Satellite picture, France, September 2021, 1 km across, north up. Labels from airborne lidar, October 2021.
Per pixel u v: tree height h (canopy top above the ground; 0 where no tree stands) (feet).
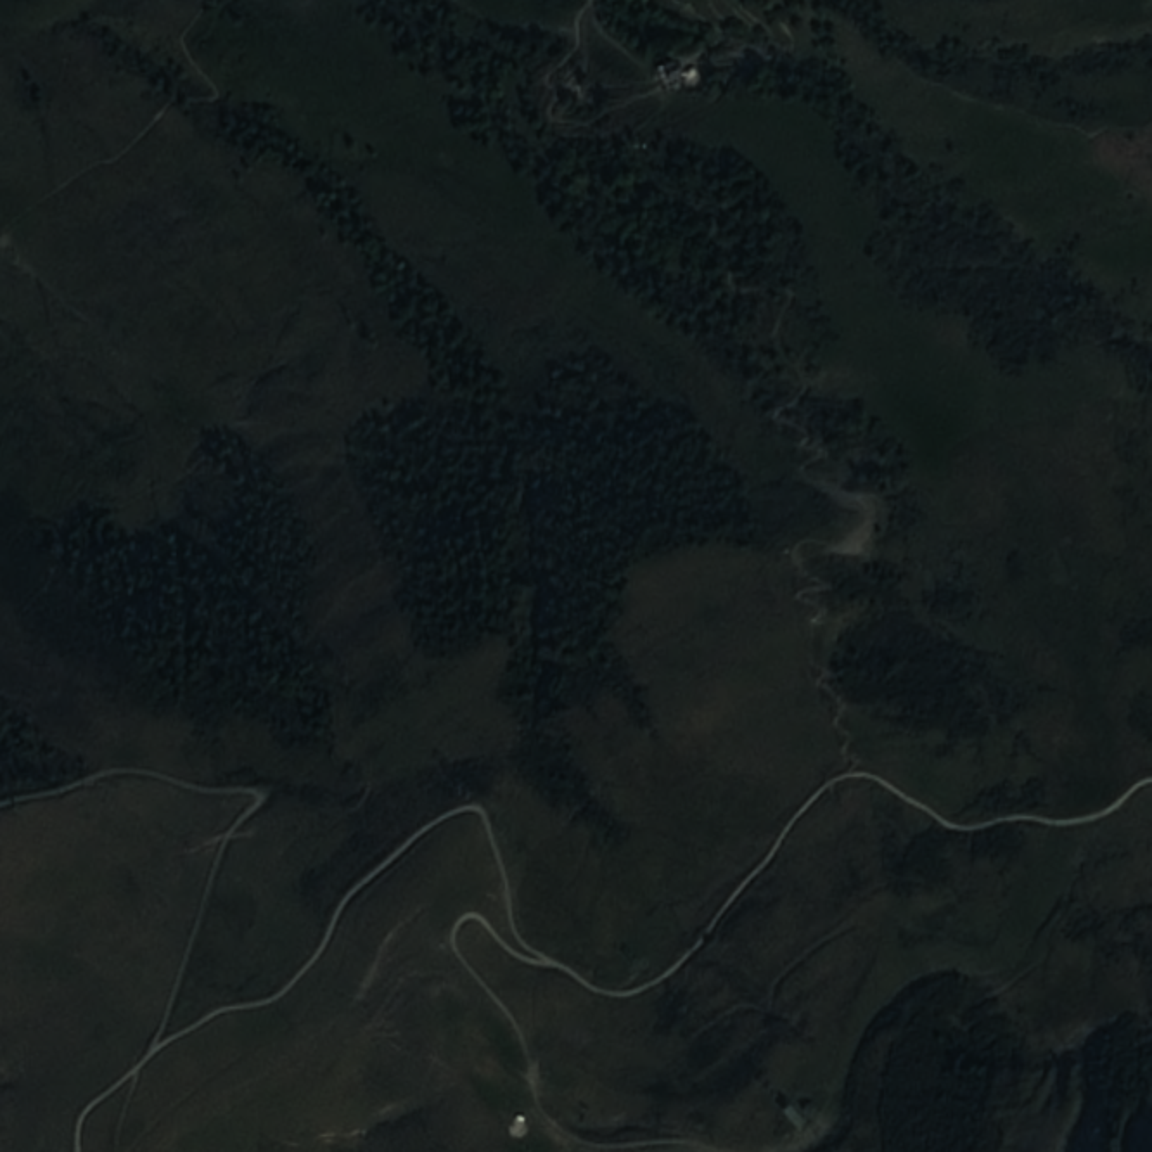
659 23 26
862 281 0
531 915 0
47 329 0
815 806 0
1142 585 0
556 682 22
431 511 27
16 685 0
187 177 0
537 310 0
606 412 29
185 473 0
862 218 0
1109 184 0
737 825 0
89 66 0
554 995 0
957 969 0
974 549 0
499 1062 0
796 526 0
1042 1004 0
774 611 0
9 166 0
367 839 0
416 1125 0
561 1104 0
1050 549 0
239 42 0
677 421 23
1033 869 0
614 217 31
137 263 0
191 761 0
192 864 0
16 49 0
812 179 0
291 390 0
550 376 25
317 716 26
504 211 0
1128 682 0
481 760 0
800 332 0
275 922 0
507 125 31
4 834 0
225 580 30
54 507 0
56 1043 0
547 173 31
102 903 0
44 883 0
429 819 0
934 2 0
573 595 22
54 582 0
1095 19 0
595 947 0
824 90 44
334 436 0
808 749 0
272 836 0
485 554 28
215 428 0
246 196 0
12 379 0
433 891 0
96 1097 0
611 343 0
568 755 22
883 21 22
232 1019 0
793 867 0
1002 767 0
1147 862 0
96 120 0
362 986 0
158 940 0
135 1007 0
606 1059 0
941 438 0
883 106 0
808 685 0
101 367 0
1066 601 0
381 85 0
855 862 0
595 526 26
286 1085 0
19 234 0
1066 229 0
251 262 0
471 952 0
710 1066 0
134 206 0
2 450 0
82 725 0
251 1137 0
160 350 0
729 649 0
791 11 44
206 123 0
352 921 0
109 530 21
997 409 0
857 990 0
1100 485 0
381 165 0
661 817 0
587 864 0
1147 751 0
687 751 0
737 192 39
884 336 0
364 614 0
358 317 0
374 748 0
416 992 0
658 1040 0
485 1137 0
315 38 0
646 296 33
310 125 0
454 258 0
